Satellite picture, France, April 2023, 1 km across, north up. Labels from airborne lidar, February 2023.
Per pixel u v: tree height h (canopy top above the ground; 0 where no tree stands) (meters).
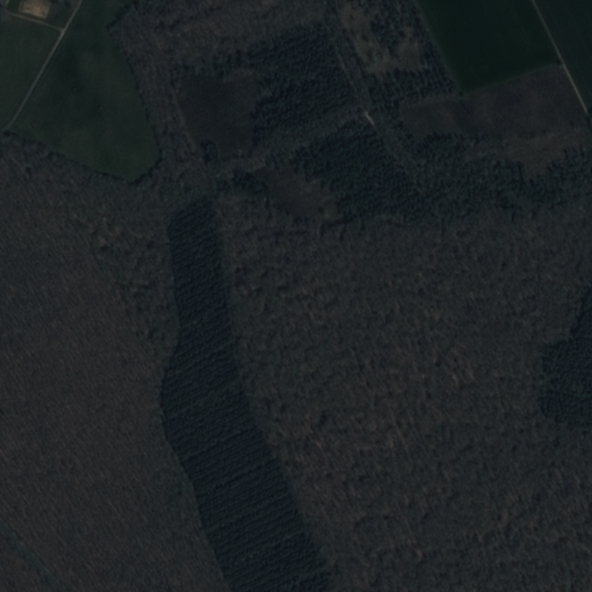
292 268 23
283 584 11
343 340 24
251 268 12
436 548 18
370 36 0
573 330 10
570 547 24
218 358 16
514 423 22
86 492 22
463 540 21
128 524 20
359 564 18
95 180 16
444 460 18
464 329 21
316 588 15
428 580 22
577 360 20
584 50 0
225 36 20
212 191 14
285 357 22
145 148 0
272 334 12
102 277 22
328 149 19
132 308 19
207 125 0
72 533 21
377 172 19
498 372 21
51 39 0
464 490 20
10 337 22
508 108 0
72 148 0
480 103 0
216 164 18
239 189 23
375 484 15
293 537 11
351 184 17
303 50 18
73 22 0
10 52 0
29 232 25
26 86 0
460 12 0
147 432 19
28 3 0
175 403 16
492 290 16
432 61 18
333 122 18
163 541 21
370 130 18
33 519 24
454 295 12
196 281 14
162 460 19
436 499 22
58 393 24
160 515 20
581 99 0
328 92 18
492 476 21
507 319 14
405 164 15
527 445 13
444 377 22
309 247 22
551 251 21
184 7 23
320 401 12
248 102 0
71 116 0
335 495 23
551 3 0
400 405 23
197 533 17
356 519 23
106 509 21
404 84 20
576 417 18
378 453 18
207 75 19
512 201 10
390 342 19
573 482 24
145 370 21
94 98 0
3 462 22
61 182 25
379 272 18
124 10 0
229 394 14
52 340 23
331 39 15
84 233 24
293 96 19
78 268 23
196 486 16
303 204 0
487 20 0
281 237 14
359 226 17
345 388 14
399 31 14
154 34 24
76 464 23
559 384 16
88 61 0
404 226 11
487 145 13
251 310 16
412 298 21
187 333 16
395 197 22
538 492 21
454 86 15
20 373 25
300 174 18
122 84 0
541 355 15
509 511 22
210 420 17
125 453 21
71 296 24
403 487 22
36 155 19
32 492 21
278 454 12
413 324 19
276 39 16
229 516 12
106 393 20
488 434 20
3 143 18
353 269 20
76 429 23
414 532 21
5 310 25
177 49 20
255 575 16
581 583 21
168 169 12
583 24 0
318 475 23
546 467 22
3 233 24
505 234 23
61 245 25
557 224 23
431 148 19
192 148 20
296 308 26
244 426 14
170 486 17
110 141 0
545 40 0
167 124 16
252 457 15
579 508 23
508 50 0
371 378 23
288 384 12
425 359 16
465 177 17
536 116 0
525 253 21
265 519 13
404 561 19
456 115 0
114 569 21
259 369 20
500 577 21
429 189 15
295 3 15
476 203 13
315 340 19
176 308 14
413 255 19
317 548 8
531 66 0
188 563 21
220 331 17
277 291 10
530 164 0
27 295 26
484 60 0
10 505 21
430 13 0
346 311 24
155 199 24
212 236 15
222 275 15
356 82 16
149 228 21
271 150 21
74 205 25
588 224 15
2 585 18
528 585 22
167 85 20
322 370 20
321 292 18
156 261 19
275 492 14
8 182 21
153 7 18
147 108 12
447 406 21
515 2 0
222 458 16
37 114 0
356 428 14
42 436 22
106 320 23
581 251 24
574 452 22
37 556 19
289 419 19
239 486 11
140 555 21
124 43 15
